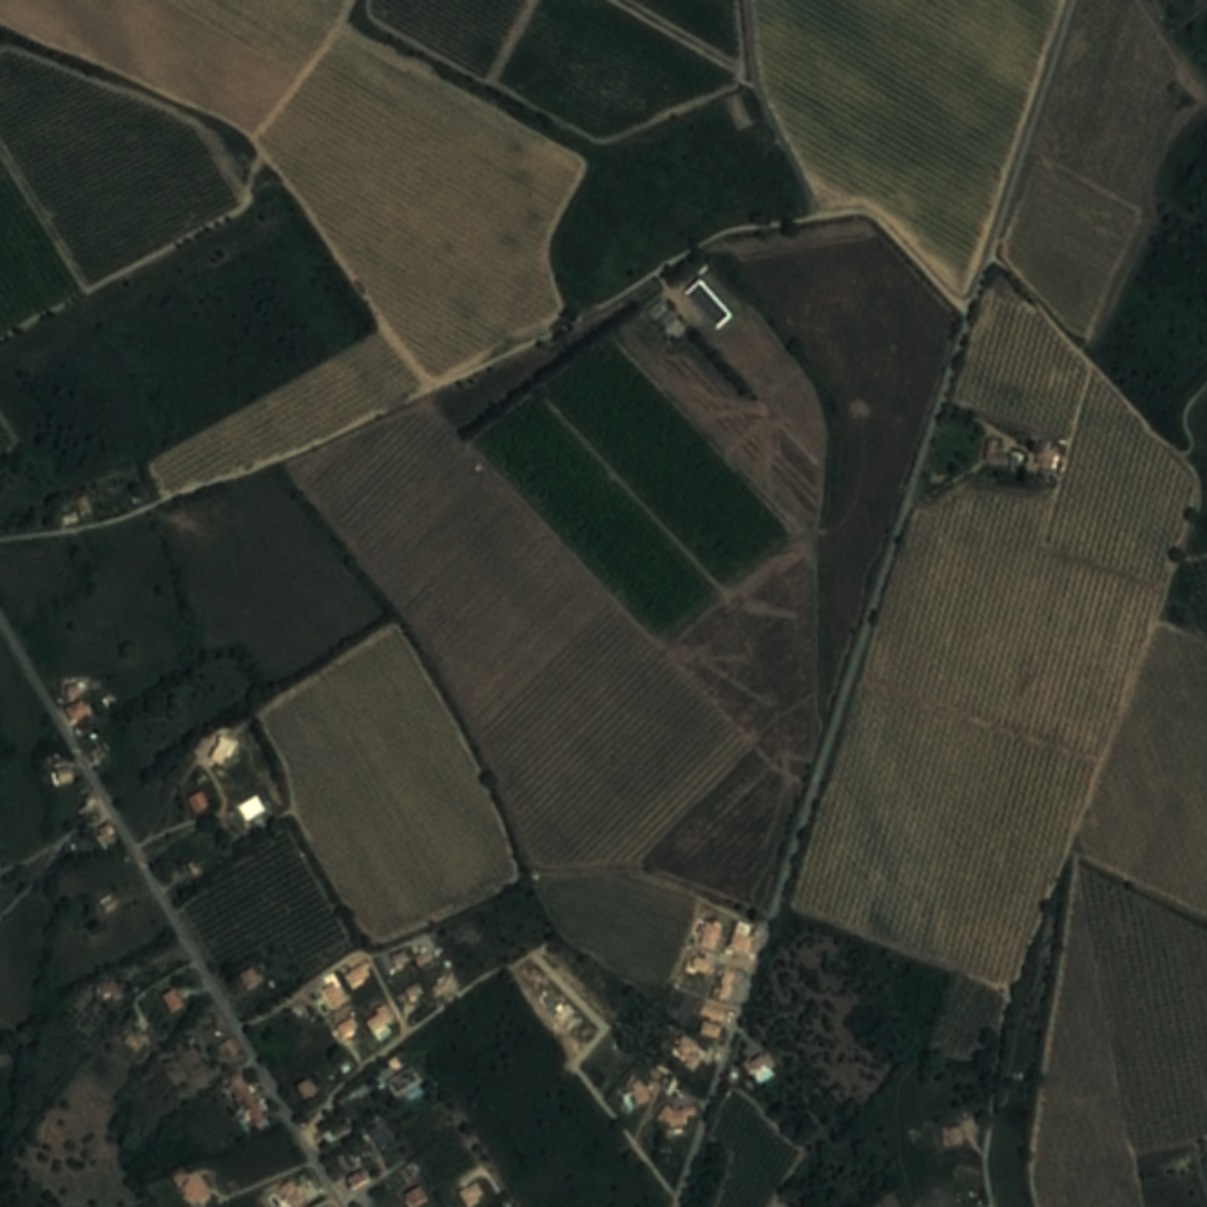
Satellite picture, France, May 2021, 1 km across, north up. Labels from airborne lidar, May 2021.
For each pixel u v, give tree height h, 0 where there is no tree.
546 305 0
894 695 0
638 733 0
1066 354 0
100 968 6
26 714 0
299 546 0
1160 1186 0
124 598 0
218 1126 0
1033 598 0
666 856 0
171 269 0
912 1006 8
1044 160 0
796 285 0
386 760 0
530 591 0
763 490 0
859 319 0
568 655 0
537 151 0
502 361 0
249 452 0
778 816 0
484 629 0
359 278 0
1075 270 0
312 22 0
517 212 0
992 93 0
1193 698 0
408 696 0
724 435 0
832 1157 8
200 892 12
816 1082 8
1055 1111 0
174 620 0
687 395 0
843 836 0
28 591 0
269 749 8
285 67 0
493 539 0
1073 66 0
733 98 0
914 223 0
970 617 0
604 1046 0
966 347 9
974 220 0
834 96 0
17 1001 0
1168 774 0
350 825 0
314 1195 0
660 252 0
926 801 0
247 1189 0
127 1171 6
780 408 0
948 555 0
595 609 0
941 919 0
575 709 0
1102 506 0
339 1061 12
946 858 0
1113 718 0
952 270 0
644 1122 0
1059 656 0
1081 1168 0
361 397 0
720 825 0
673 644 0
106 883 0
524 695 0
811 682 0
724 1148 11
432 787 0
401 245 0
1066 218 0
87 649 0
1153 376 8
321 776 0
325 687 0
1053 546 0
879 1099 8
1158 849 0
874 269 0
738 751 0
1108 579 0
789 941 7
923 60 0
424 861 0
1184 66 0
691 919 0
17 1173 7
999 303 0
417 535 0
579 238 0
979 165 0
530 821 0
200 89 0
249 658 9
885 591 6
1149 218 0
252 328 7
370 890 0
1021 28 0
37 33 0
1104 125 0
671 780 0
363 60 0
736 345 0
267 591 0
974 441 7
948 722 0
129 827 0
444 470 0
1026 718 0
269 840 7
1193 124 0
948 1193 0
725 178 0
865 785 0
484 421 16
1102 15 0
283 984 7
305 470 0
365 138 0
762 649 0
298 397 0
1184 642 0
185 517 0
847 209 0
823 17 0
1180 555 10
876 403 0
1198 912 0
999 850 0
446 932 7
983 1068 11
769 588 0
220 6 0
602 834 0
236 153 0
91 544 0
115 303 0
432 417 0
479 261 0
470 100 0
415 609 0
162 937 7
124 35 0
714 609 0
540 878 0
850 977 8
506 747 0
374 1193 12
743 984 0
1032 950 7
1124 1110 0
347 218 0
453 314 0
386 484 0
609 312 0
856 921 0
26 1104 9
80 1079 0
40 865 0
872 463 0
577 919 0
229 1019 0
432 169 0
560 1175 0
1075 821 0
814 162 0
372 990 0
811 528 0
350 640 7
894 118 0
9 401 0
